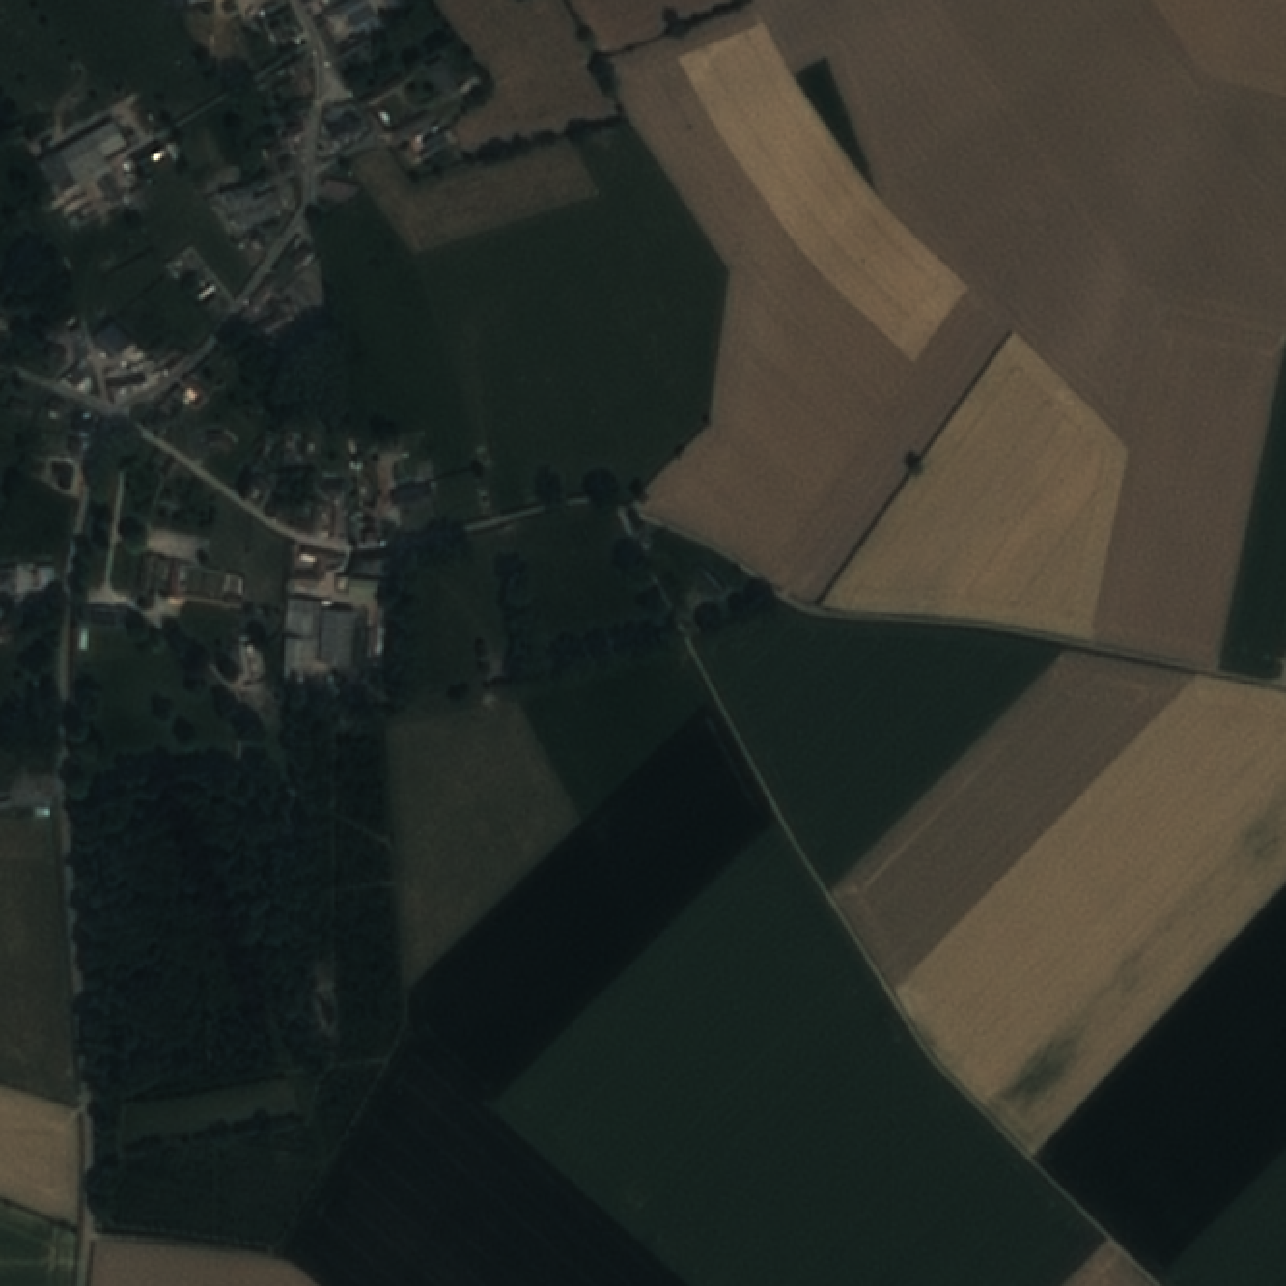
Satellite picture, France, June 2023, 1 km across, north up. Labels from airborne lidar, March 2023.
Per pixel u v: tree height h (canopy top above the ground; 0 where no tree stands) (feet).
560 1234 0
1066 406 0
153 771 75
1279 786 0
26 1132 0
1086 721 0
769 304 0
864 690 0
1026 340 0
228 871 83
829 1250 0
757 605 56
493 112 0
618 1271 0
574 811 0
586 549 0
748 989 0
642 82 0
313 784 74
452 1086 0
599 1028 0
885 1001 0
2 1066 0
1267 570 0
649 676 0
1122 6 0
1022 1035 0
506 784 0
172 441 0
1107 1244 0
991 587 0
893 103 0
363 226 0
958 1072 0
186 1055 90
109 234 0
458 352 0
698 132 0
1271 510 0
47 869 0
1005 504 0
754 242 0
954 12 0
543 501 42
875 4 0
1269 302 0
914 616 0
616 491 63
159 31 0
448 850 0
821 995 0
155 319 0
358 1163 0
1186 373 0
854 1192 0
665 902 0
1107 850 0
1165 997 0
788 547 0
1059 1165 0
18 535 0
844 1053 0
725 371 0
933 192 0
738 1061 0
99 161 0
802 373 0
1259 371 0
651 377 0
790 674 0
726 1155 0
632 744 0
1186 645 0
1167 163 0
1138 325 0
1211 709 0
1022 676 0
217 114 0
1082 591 0
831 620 0
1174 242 0
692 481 0
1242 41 0
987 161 0
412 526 0
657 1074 0
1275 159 0
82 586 66
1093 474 0
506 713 0
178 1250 0
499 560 0
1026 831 0
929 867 0
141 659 0
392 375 0
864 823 0
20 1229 0
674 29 62
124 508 0
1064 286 0
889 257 0
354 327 0
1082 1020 0
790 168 0
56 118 0
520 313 0
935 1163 0
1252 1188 0
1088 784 0
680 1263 0
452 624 0
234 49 0
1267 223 0
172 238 0
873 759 0
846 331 0
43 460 0
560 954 0
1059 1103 0
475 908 0
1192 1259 0
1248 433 0
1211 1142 0
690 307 0
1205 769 0
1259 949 0
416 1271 0
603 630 0
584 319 0
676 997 0
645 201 0
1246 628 0
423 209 0
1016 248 0
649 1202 0
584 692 0
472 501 0
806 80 0
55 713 64
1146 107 0
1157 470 0
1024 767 0
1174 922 0
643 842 0
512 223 0
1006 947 0
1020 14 0
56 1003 0
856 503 0
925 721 0
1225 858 0
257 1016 47
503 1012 0
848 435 0
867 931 0
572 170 0
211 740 0
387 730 0
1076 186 0
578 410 0
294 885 82
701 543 0
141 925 88
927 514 0
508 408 0
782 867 0
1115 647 0
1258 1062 0
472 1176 0
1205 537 0
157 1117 0
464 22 0
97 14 0
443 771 0
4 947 0
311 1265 0
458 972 0
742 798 0
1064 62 0
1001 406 0
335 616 0
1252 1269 0
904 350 0
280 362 94
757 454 0
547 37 0
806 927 0
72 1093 0
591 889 0
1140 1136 0
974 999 0
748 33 0
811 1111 0
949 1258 0
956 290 0
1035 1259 0
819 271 0
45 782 0
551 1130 0
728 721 0
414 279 0
